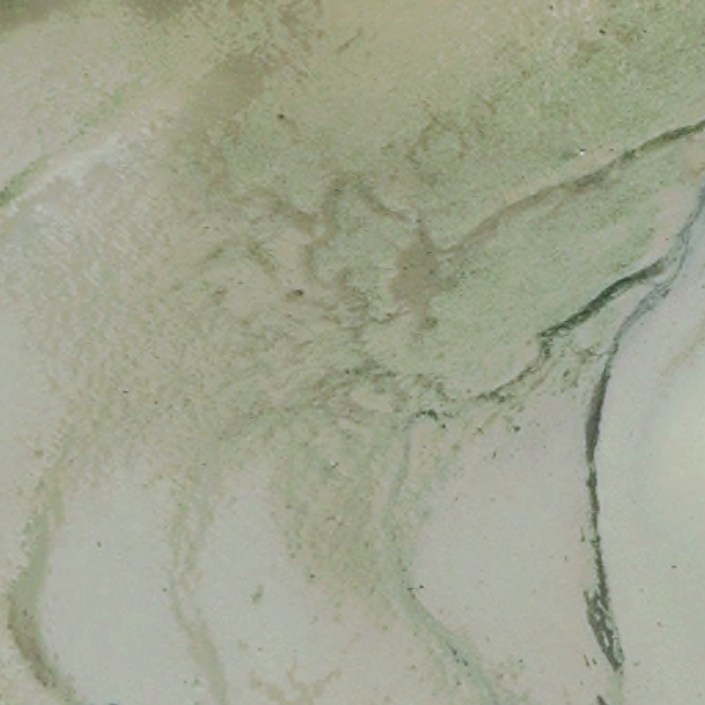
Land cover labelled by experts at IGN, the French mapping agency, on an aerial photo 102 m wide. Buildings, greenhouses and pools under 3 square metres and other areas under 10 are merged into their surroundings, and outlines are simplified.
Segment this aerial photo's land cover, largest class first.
<instances>
[{"label":"bare soil","instance_id":"1","mask_svg":"<svg viewBox=\"0 0 705 705\"><path fill-rule=\"evenodd\" d=\"M0 705H705V0H0Z\"/></svg>","mask_w":705,"mask_h":705}]
</instances>
